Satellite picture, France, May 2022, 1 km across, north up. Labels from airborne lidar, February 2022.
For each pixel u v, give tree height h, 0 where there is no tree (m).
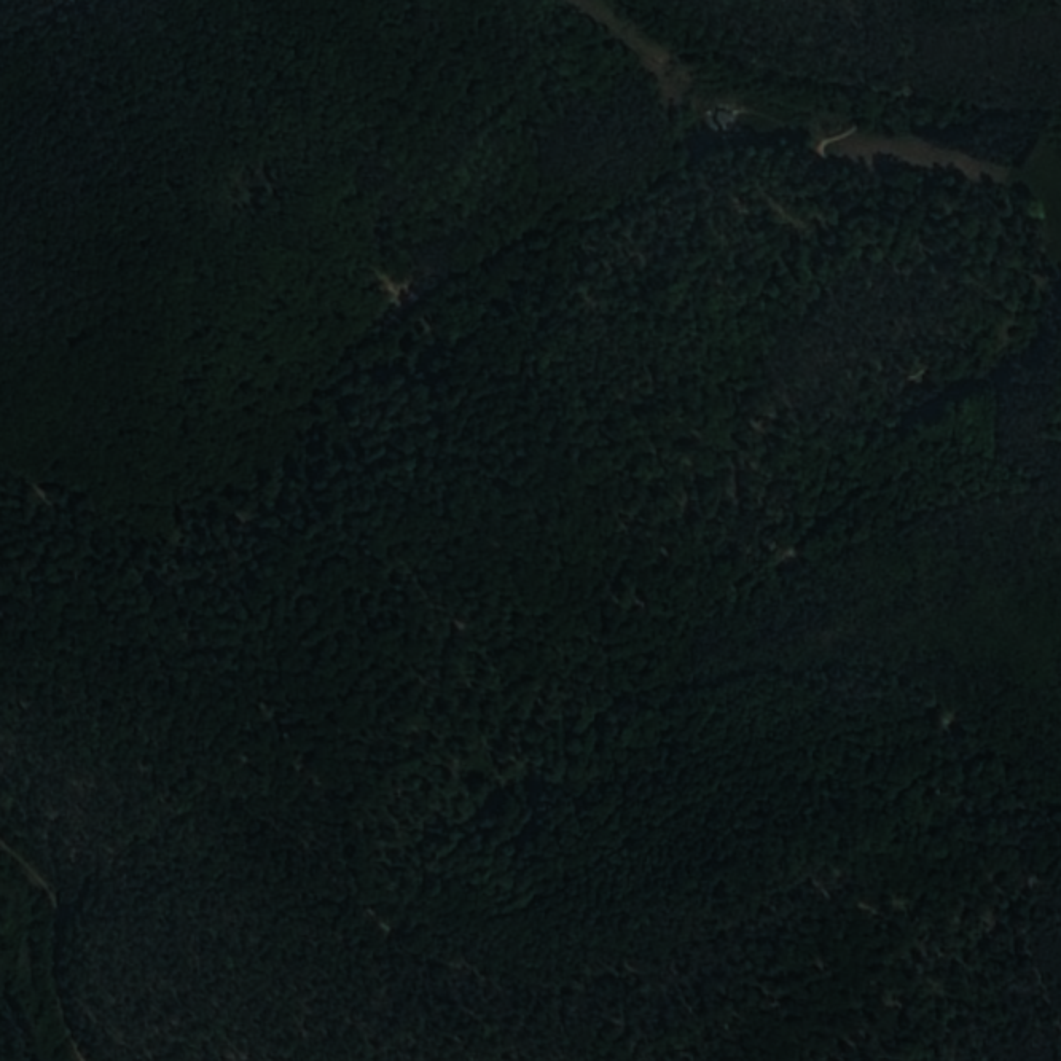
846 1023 30
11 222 25
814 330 30
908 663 13
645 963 25
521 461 31
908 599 14
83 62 24
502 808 38
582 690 33
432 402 33
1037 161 0
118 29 25
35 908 11
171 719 27
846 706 32
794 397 28
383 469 30
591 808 37
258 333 30
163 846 29
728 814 24
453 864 38
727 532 15
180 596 28
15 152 25
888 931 30
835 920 28
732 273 34
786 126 0
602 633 34
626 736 33
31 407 20
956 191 23
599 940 26
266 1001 24
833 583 14
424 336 35
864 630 12
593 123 21
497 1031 25
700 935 21
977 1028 30
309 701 32
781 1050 31
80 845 24
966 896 27
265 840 26
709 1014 26
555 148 22
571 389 29
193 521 34
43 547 31
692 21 29
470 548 29
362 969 26
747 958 21
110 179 21
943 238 29
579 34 30
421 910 28
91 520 32
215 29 26
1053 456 18
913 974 23
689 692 25
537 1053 24
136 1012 30
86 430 21
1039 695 14
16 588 34
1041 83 23
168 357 26
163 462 25
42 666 27
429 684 28
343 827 25
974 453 29
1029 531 14
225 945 23
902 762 29
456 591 24
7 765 23
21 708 28
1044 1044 9
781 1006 30
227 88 26
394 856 31
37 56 24
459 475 32
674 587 31
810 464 25
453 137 26
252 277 26
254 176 19
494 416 31
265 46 25
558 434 30
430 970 25
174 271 26
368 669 32
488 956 25
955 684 13
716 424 32
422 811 36
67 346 17
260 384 25
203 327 26
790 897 26
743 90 10
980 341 25
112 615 30
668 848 28
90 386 18
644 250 33
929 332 22
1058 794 18
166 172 19
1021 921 28
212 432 28
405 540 30
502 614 32
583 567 34
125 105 20
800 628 17
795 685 25
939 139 31
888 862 28
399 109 31
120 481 24
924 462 30
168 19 24
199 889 25
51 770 26
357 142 25
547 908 28
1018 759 15
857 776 28
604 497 29
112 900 31
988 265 37
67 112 22
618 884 24
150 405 27
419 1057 22
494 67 27
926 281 28
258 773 27
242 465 19
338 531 28
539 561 31
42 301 21
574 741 34
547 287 31
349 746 28
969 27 15
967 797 32
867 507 32
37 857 21
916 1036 27
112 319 23
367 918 27
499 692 39
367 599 34
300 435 34
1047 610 14
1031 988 26
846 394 19
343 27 27
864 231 38
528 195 22
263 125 22
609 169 20
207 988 28
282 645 33
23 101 23
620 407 26
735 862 29
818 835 28
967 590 11
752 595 17
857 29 27
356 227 29
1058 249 0
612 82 22
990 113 6
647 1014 9
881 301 30
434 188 30
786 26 28
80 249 25
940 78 22
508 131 25
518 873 36
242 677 33
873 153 0
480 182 24
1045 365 31
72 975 26
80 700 28
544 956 23
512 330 32
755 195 31
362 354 25
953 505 15
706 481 31
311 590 34
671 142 15
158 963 26
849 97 23
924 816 31
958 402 32
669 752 33
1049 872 22
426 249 33
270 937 28
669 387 29
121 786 23
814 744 24
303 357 28
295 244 26
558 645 31
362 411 36
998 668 15
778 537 27
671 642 32
